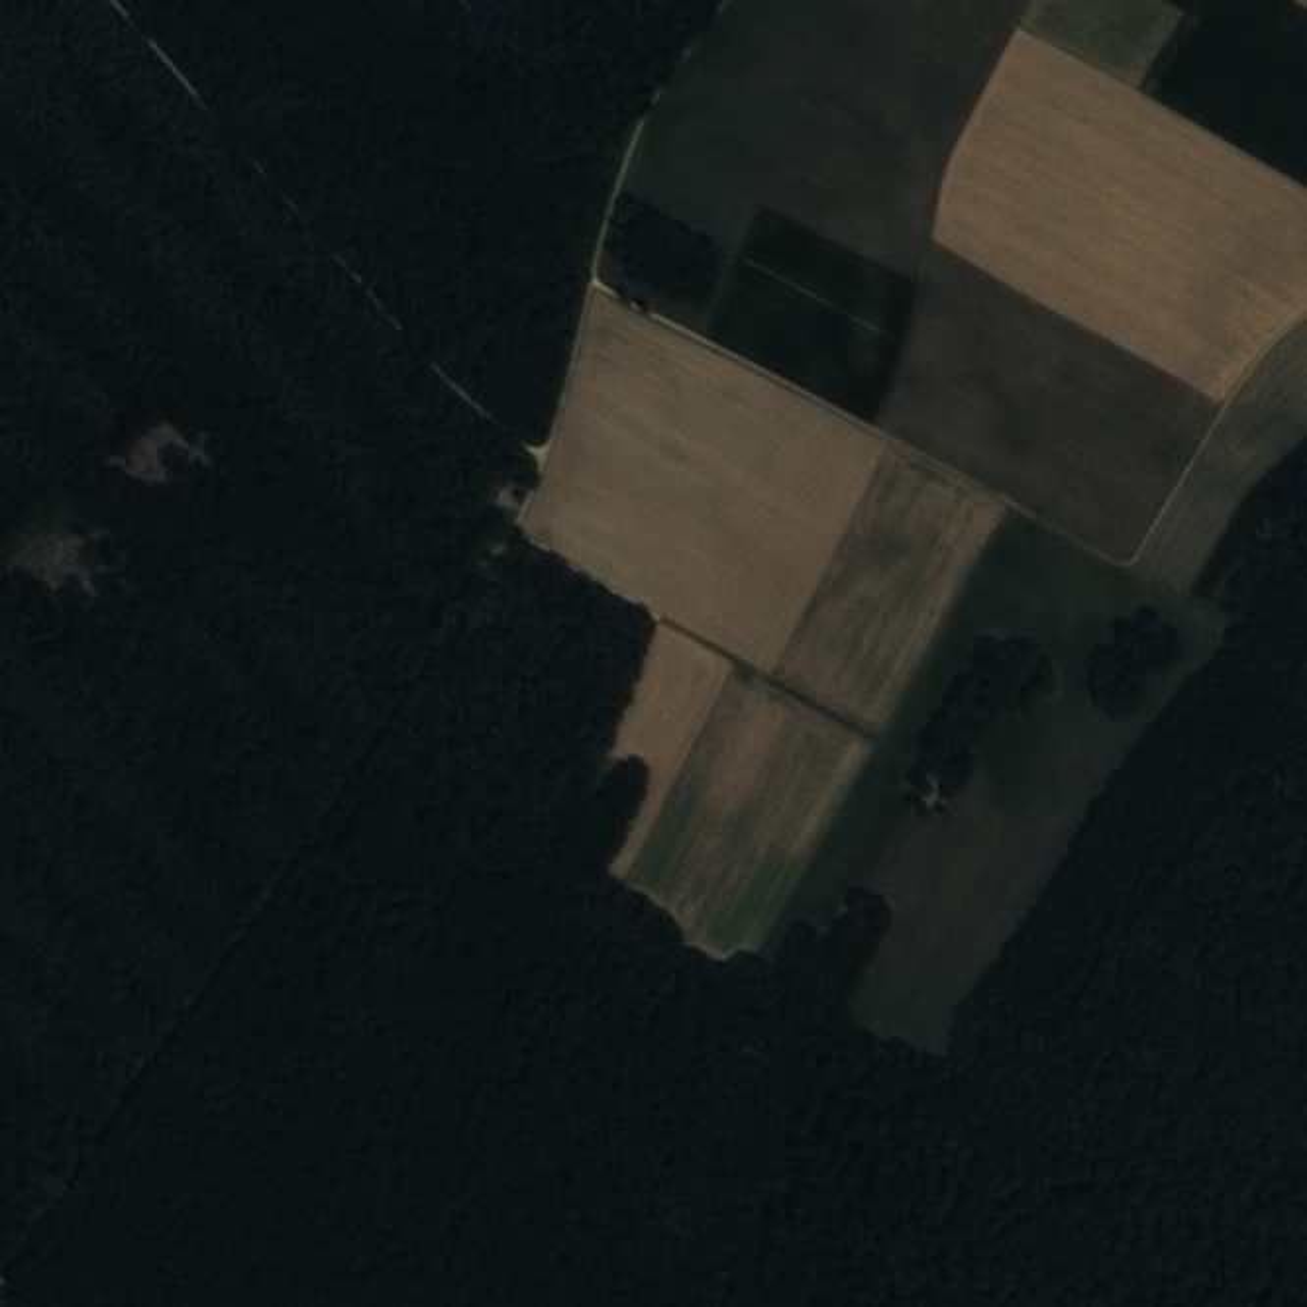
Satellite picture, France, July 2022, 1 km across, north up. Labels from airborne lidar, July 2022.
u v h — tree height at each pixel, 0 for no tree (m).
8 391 30
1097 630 0
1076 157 0
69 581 0
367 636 22
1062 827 0
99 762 19
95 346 19
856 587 0
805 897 0
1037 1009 13
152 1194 15
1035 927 12
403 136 32
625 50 28
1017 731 0
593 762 22
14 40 22
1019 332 0
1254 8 0
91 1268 19
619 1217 23
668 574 0
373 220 27
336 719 17
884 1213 25
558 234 28
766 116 0
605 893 12
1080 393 0
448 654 9
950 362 0
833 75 0
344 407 21
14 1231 21
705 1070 27
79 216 25
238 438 30
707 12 24
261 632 23
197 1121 13
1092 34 0
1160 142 0
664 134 0
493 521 24
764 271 0
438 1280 25
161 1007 23
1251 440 0
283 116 23
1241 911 26
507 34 23
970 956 0
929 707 0
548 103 29
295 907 14
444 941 25
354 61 27
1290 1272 22
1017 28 0
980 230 0
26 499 29
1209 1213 20
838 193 0
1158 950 22
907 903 0
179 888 21
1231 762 12
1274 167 0
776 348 0
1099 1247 28
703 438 0
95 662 24
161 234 20
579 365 0
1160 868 15
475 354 16
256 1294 14
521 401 15
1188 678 0
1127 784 16
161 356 23
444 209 23
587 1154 24
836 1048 19
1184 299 0
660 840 0
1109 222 0
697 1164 22
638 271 19
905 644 0
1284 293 0
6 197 24
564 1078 31
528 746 25
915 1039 0
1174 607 0
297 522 27
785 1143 8
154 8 19
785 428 0
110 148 26
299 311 24
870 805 0
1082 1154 16
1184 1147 22
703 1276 23
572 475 0
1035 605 0
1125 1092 23
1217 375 0
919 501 0
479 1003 20
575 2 26
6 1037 20
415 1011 23
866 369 0
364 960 23
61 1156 19
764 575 0
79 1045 16
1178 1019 22
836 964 21
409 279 18
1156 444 0
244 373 25
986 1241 28
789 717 0
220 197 25
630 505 0
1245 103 0
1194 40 0
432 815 20
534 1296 23
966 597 0
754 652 0
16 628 24
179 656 26
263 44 19
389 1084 19
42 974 23
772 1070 24
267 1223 19
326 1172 20
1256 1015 22
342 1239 21
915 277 0
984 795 0
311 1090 18
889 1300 29
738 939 0
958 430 0
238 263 24
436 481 25
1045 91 0
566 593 18
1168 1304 22
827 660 0
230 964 15
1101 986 23
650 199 0
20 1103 22
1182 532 0
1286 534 10
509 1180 20
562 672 31
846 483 0
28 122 24
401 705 17
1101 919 10
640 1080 30
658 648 0
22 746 26
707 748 0
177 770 24
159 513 31
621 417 0
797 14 0
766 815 0
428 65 20
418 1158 17
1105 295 0
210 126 23
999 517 0
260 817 20
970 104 0
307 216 15
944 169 0
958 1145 24
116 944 17
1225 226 0
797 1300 19
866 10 0
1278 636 13
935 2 0
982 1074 26
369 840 26
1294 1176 27
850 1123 28
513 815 26
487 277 26
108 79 25
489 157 28
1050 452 0
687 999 27
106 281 27
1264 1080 23
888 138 0
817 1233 21
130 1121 10
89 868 22
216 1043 14
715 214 0
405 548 26
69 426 29
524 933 26
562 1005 26
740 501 0
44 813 22
